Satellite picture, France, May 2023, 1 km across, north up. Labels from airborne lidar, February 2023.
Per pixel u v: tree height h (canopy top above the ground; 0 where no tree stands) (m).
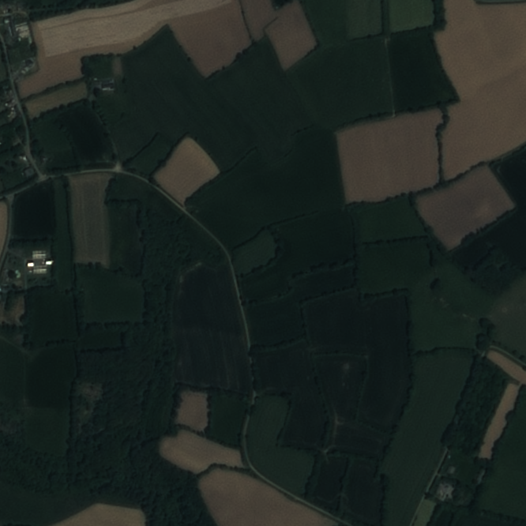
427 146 0
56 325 0
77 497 0
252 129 0
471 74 0
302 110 0
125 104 0
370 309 0
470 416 9
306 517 0
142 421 9
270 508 0
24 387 0
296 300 0
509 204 0
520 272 12
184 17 0
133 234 0
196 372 0
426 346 0
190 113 0
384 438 0
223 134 0
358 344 0
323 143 0
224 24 0
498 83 0
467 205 0
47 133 0
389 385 0
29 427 0
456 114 0
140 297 0
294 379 0
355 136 0
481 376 17
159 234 8
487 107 0
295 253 0
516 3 0
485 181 0
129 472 11
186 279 0
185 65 0
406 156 0
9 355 0
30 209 0
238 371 0
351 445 0
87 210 0
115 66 0
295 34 0
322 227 0
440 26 16
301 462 0
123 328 16
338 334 0
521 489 0
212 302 0
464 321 0
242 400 12
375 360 0
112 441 16
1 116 7
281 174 0
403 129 0
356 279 7
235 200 0
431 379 0
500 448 16
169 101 0
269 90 0
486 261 14
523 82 0
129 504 0
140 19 0
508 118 0
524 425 0
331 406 0
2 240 0
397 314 0
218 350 0
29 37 0
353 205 9
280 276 0
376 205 7
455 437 10
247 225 0
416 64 0
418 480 0
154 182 13
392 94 0
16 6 0
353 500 0
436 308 0
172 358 7
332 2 0
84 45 0
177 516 11
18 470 6
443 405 0
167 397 7
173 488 10
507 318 0
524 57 0
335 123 0
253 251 0
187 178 0
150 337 20
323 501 0
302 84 0
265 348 11
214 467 9
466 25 0
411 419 0
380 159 0
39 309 0
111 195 15
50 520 0
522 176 0
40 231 0
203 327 0
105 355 19
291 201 0
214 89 0
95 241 0
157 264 9
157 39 0
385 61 0
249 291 0
